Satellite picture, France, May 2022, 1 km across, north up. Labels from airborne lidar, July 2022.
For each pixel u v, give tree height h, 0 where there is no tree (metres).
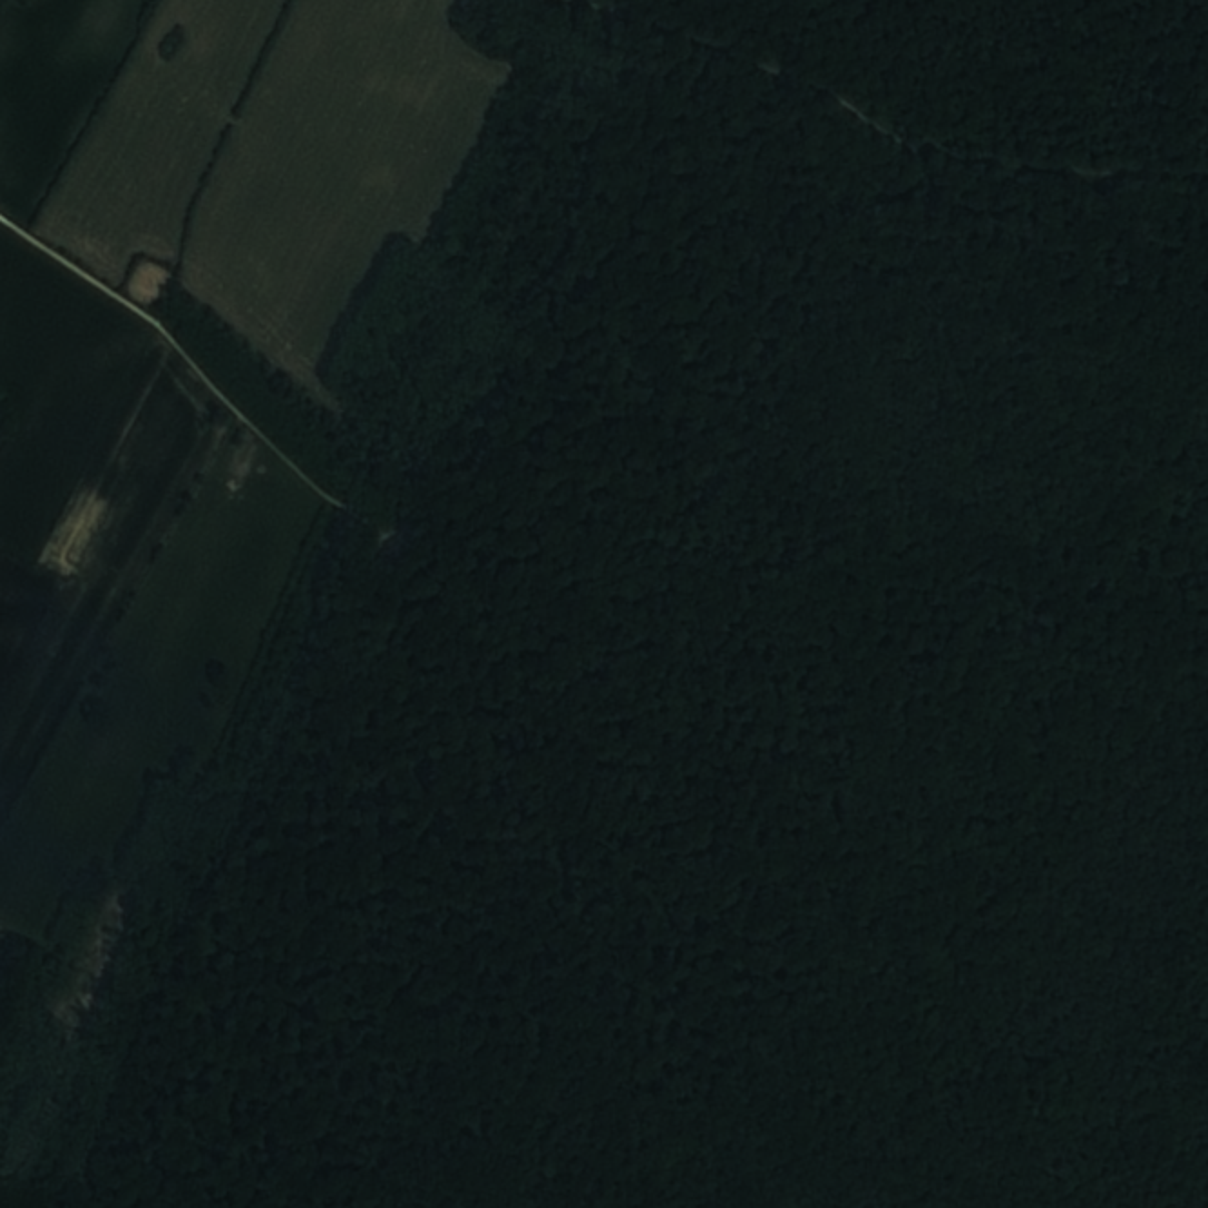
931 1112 18
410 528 30
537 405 32
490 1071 23
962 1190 18
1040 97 19
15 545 0
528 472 29
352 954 28
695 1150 14
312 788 27
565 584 18
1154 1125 20
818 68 22
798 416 23
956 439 17
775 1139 19
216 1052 29
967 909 23
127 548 0
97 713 20
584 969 22
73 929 15
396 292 25
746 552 19
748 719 14
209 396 0
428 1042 19
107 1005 22
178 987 28
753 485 23
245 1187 26
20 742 0
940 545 24
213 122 0
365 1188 21
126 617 7
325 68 0
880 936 22
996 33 15
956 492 18
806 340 22
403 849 27
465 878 25
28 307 0
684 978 23
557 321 30
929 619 23
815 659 21
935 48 13
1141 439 19
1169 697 16
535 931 26
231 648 0
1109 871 11
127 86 0
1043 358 17
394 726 28
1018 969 17
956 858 21
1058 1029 15
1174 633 22
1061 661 14
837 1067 21
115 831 0
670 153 28
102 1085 27
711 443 27
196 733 0
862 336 18
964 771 18
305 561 8
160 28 0
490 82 0
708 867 21
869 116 18
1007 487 19
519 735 22
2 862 0
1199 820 18
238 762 14
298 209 0
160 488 0
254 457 0
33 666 0
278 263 0
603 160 27
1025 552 21
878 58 16
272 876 31
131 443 0
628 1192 16
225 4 0
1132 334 19
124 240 0
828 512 21
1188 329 21
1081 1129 16
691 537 20
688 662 16
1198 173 13
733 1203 16
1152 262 23
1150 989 15
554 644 26
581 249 26
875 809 18
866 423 17
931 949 24
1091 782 19
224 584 0
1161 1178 17
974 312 22
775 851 23
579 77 28
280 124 0
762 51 21
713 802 21
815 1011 19
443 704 24
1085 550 21
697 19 23
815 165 20
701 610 20
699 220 28
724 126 27
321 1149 27
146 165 0
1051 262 17
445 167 0
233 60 0
